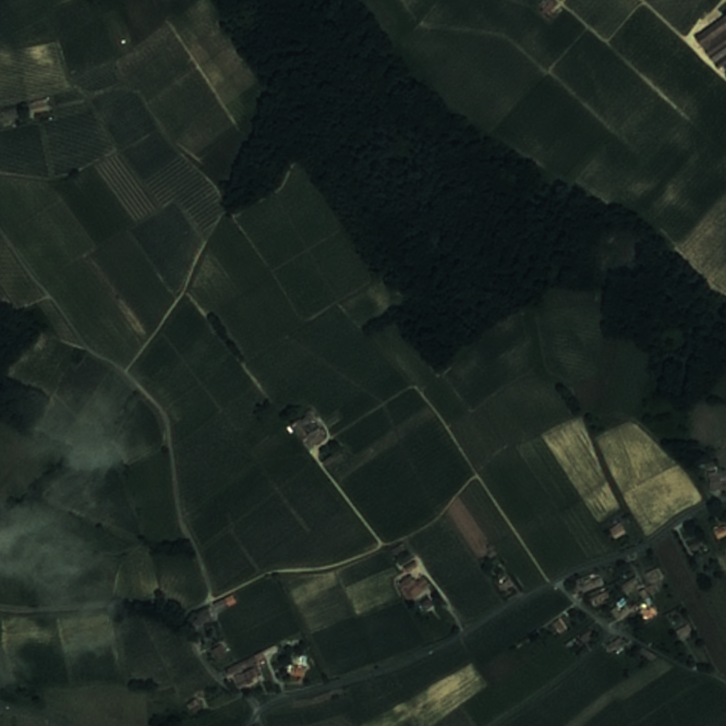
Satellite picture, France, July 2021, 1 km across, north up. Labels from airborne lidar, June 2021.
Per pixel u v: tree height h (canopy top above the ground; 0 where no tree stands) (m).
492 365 0
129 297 0
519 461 0
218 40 0
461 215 26
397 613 0
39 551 0
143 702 0
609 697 0
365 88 18
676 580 0
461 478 0
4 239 0
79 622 0
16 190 0
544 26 0
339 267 0
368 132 18
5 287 0
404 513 0
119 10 0
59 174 0
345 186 16
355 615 0
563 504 0
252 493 0
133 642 0
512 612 0
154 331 0
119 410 0
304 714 0
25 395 21
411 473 0
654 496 0
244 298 0
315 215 0
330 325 0
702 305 23
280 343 0
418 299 20
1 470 0
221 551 0
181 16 0
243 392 0
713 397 12
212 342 0
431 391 0
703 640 6
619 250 0
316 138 25
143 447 0
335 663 0
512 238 22
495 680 0
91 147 0
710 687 0
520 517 0
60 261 0
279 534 0
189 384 0
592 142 0
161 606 20
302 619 0
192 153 0
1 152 0
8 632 0
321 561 0
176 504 0
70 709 0
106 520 0
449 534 0
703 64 0
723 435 0
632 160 0
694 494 0
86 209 0
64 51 0
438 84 0
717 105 0
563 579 0
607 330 12
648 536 0
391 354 0
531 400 0
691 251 0
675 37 0
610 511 0
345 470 0
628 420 0
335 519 0
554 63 0
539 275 15
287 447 0
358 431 0
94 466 0
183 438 0
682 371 21
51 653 0
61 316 0
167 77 0
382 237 15
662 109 0
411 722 0
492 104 0
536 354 0
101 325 0
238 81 0
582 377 0
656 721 0
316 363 0
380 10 0
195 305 0
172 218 0
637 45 0
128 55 0
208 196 0
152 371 0
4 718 0
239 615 0
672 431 0
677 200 0
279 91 21
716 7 0
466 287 21
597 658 0
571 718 0
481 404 0
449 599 0
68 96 0
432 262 20
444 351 16
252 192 19
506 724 0
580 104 0
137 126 0
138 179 0
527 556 0
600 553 0
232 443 0
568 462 0
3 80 0
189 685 0
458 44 0
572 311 0
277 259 0
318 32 26
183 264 0
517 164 19
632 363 0
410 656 0
